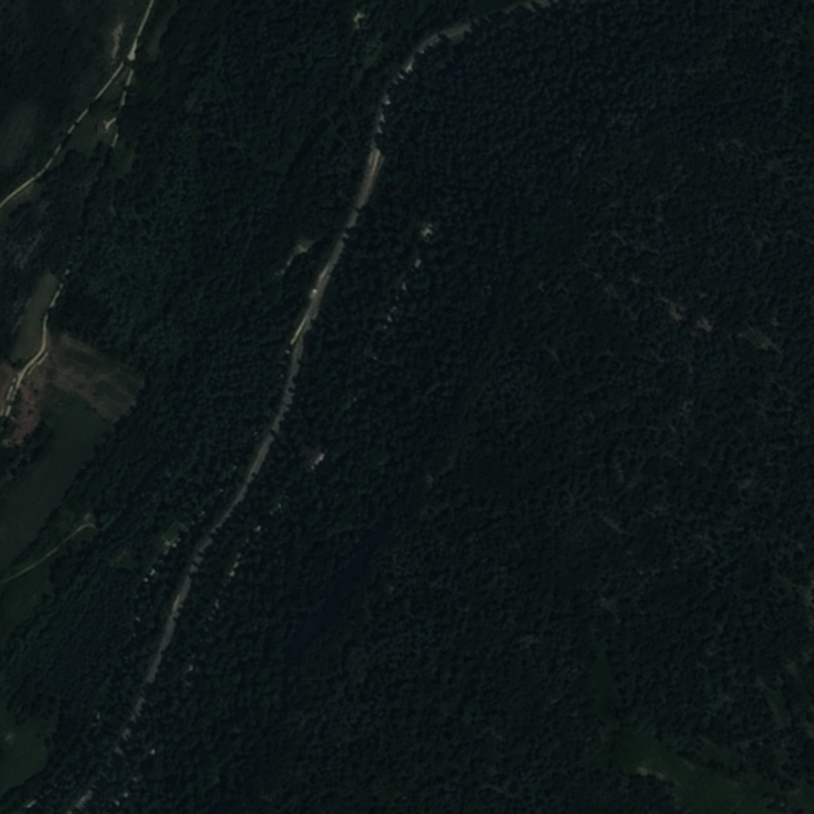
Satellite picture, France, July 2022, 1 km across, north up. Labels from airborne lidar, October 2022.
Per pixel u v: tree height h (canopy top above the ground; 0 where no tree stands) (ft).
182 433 55
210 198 57
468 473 35
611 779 50
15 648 31
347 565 89
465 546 20
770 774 73
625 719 81
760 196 58
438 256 34
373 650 106
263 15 94
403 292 39
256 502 79
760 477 31
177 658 43
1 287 40
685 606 38
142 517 62
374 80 79
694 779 0
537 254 31
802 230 70
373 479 83
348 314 56
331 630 31
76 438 0
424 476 51
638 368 95
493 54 108
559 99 80
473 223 95
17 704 41
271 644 85
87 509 30
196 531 51
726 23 46
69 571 83
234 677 85
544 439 29
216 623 34
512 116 108
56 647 58
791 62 39
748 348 65
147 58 39
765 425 42
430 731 42
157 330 83
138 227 110
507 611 64
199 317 19
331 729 92
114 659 69
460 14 90
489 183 78
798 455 56
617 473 65
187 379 63
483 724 49
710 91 52
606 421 87
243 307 69
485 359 41
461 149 92
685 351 92
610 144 96
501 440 27
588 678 79
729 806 0
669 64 98
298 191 56
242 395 88
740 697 74
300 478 74
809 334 92
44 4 33
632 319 63
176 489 89
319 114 56
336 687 87
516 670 72
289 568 97
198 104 37
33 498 0
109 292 88
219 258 75
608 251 67
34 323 0
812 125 29
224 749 109
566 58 113
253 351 93
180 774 36
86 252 77
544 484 47
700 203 69
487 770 49
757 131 73
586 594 54
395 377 86
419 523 58
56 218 55
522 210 101
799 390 113
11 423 66
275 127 54
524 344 86
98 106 48
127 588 73
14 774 0
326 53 46
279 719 32
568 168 102
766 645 84
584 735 61
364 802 20
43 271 83
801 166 48
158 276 94
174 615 0
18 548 0
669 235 85
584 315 63
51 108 38
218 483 35
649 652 55
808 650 86
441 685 52
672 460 44
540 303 69
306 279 98
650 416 27
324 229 74
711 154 39
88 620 84
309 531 83
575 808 47
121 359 31
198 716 76
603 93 103
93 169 62
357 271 69
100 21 25
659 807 45
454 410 52
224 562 28
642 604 45
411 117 95
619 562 59
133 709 69
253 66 71
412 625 47
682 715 27
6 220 0
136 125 54
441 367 76
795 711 77
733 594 87
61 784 24
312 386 42
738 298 78
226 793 74
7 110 23
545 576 65
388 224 27
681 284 61
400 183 26
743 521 28
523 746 79
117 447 63
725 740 68
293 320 62
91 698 77
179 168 107
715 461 58
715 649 80
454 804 52
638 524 60
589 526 24
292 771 61
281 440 77
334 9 66
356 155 27
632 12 79
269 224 61
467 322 68
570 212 62
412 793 26
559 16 22
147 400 40
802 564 79
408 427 97
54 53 23
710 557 67
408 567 105
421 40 95
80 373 0
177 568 31
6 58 50
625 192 71
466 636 43
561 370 106
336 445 89
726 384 30
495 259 107
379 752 82
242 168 85
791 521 38
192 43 45
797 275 88
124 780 68
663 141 61
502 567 85
